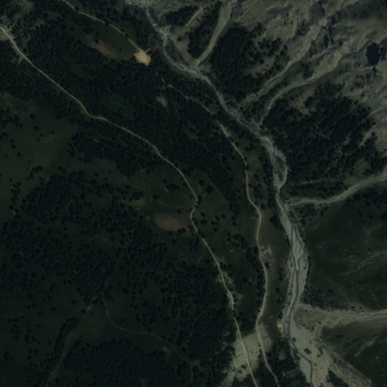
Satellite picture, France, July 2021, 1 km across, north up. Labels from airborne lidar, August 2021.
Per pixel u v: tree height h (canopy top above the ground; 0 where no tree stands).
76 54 26
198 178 0
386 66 0
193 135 0
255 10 0
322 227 0
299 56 0
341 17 0
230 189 21
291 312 0
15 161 0
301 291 0
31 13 11
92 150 20
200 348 23
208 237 0
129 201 9
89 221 23
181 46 0
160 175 0
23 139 0
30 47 21
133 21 15
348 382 0
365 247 0
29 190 0
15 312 0
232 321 6
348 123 19
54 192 15
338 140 17
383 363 0
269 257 0
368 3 0
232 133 0
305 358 0
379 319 0
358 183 0
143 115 18
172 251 0
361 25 0
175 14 14
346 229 0
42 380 16
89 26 8
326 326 0
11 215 0
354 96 0
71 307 0
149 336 0
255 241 0
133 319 0
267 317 0
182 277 19
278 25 0
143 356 19
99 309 0
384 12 0
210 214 0
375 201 22
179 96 21
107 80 21
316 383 0
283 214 0
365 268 0
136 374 20
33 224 8
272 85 0
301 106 0
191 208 9
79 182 17
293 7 0
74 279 17
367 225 0
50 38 20
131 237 14
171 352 0
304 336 0
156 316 18
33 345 0
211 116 19
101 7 12
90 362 14
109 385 24
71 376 0
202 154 25
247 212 0
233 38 21
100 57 30
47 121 0
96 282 17
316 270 0
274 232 0
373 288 0
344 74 0
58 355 17
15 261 16
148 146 18
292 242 0
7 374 0
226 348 13
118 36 0
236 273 0
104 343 10
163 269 12
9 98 0
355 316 0
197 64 0
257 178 16
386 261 0
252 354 0
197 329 21
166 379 24
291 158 16
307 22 0
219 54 20
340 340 0
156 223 0
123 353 20
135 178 0
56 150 0
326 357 0
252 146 17
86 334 0
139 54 0
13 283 14
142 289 23
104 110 21
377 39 0
